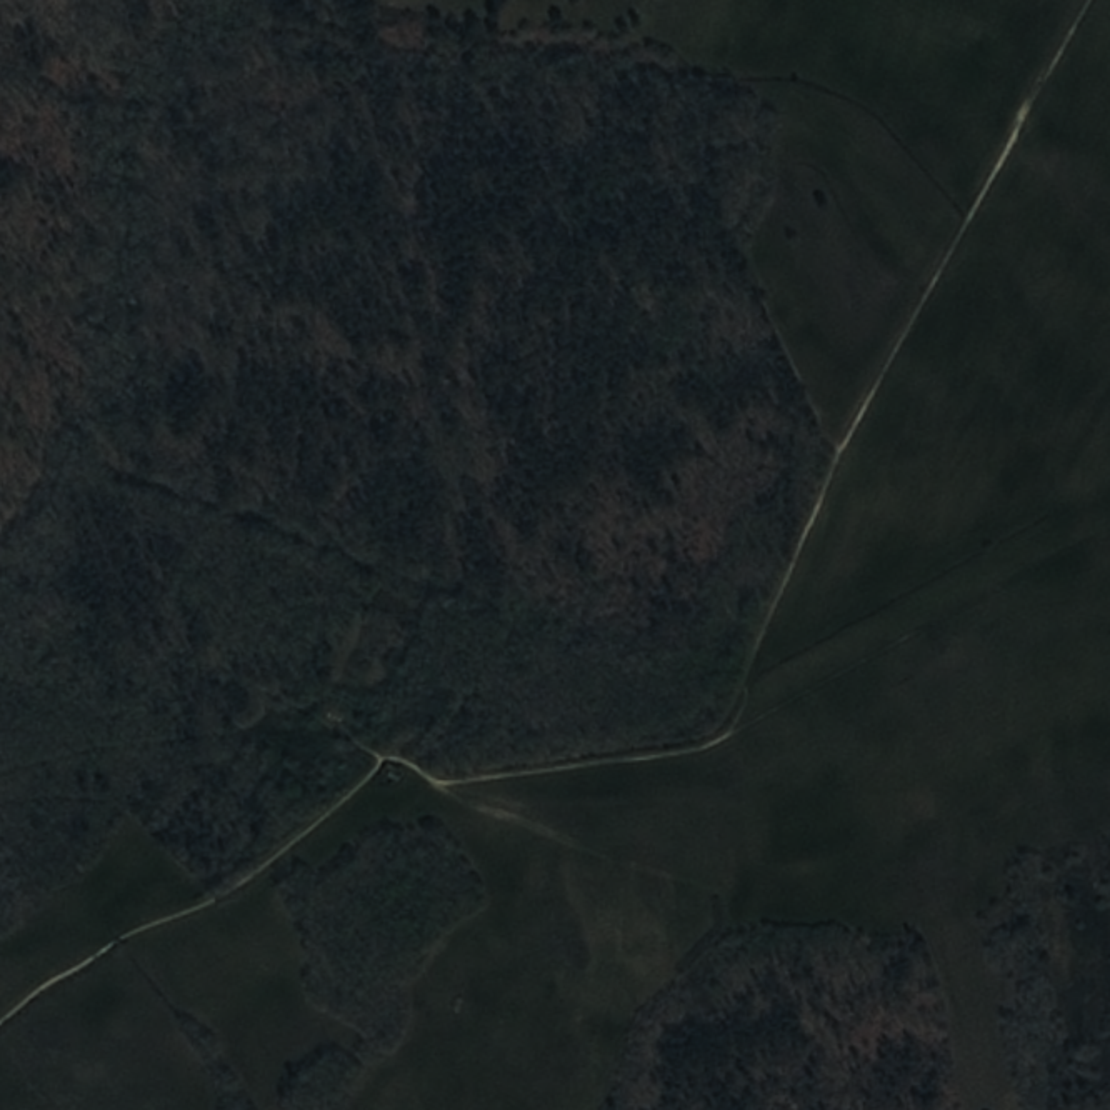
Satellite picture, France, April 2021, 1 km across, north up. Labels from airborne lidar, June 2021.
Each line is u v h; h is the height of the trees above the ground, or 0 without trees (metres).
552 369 13
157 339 21
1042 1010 16
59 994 0
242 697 17
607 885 0
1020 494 0
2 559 19
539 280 10
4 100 14
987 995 0
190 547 15
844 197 0
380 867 19
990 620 0
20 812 15
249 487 17
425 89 18
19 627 24
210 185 15
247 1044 0
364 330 15
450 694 9
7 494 16
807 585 0
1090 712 0
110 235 17
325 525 17
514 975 0
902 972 18
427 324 25
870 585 0
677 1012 10
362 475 18
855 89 0
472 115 14
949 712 0
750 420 8
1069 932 0
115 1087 0
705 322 17
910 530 0
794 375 18
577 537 15
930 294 0
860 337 0
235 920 0
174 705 18
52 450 16
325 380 10
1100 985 0
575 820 0
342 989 16
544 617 14
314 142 14
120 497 21
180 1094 0
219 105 12
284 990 0
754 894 0
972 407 0
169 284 17
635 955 0
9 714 20
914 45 0
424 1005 0
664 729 19
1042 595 0
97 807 12
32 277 14
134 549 19
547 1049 0
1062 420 0
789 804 0
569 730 13
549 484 24
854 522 0
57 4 13
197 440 15
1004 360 0
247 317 10
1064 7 0
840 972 12
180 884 0
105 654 19
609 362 22
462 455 16
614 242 21
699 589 11
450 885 20
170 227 20
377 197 28
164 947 0
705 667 22
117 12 19
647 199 26
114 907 0
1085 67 0
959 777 0
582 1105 0
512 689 15
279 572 20
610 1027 0
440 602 21
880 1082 8
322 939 17
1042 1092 14
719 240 19
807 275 0
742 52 0
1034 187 0
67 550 17
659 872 0
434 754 7
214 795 9
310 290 15
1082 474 0
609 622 13
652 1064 9
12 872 18
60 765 14
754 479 11
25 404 8
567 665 17
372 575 16
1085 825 0
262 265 23
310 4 11
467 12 0
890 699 0
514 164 26
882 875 0
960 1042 0
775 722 0
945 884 0
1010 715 0
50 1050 0
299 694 13
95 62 17
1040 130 0
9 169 12
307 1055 0
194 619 22
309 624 19
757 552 13
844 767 0
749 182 21
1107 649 0
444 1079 0
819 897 0
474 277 23
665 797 0
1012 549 0
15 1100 0
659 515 9
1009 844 0
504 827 0
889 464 0
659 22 0
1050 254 0
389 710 10
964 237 0
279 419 17
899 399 0
